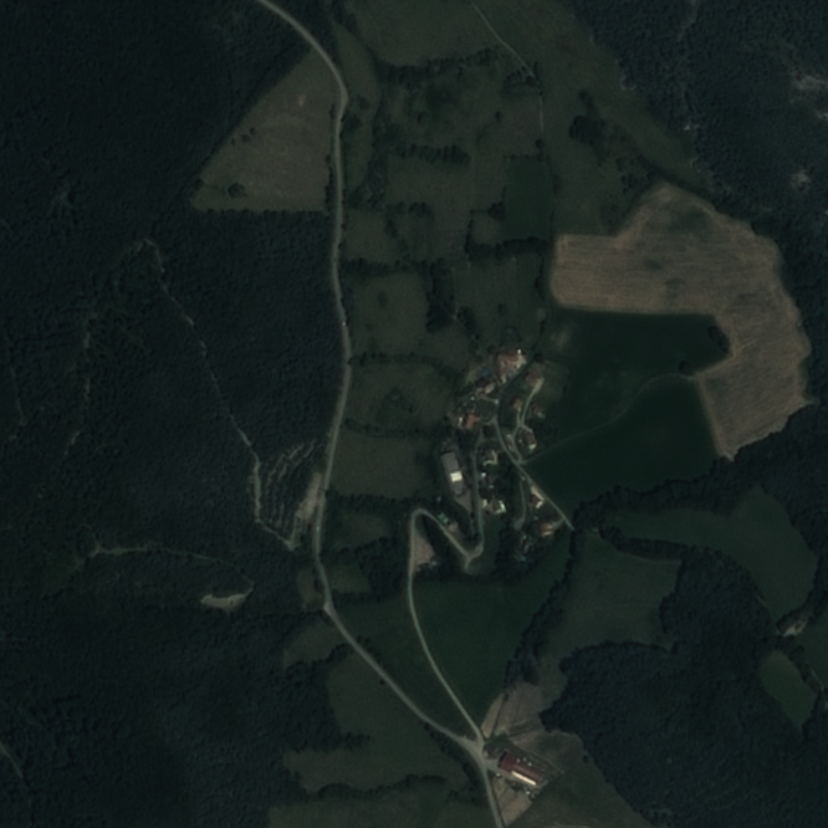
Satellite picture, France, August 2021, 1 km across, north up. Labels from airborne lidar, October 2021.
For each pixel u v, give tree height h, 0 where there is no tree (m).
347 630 0
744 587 12
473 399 0
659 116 9
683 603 10
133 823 19
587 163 0
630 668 18
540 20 0
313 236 10
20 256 32
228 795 10
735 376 0
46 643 23
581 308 0
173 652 9
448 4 0
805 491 12
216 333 16
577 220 0
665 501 17
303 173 0
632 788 13
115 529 14
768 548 0
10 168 34
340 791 15
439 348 0
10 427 13
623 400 0
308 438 12
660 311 0
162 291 12
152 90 21
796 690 0
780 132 8
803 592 0
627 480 0
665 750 7
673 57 15
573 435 0
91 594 13
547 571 0
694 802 7
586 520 19
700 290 0
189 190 11
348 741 15
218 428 10
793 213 9
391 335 0
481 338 12
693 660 13
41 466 18
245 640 12
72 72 26
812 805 11
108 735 24
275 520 8
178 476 11
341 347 9
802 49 8
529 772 0
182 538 17
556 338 0
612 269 0
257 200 0
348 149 8
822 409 10
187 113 17
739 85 7
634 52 14
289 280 14
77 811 25
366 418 0
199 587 10
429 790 0
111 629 21
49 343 27
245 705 12
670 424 0
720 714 16
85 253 25
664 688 14
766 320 0
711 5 10
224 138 7
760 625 15
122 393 19
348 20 10
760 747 15
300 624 11
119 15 24
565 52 0
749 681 16
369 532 0
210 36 9
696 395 0
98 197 16
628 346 0
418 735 0
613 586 0
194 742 14
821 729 18
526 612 0
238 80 15
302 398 15
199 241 17
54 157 28
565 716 13
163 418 12
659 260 0
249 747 13
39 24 19
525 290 0
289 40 8
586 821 0
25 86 20
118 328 10
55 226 29
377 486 0
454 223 0
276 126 0
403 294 0
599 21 11
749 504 0
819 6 11
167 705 13
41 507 20
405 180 0
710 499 16
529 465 0
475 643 0
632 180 10
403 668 0
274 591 12
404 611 0
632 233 0
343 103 0
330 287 8
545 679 0
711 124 7
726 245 0
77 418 14
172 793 21
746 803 8
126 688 18
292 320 9
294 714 14
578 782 0
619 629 0
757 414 0
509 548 14
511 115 0
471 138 0
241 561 11
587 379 0
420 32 0
